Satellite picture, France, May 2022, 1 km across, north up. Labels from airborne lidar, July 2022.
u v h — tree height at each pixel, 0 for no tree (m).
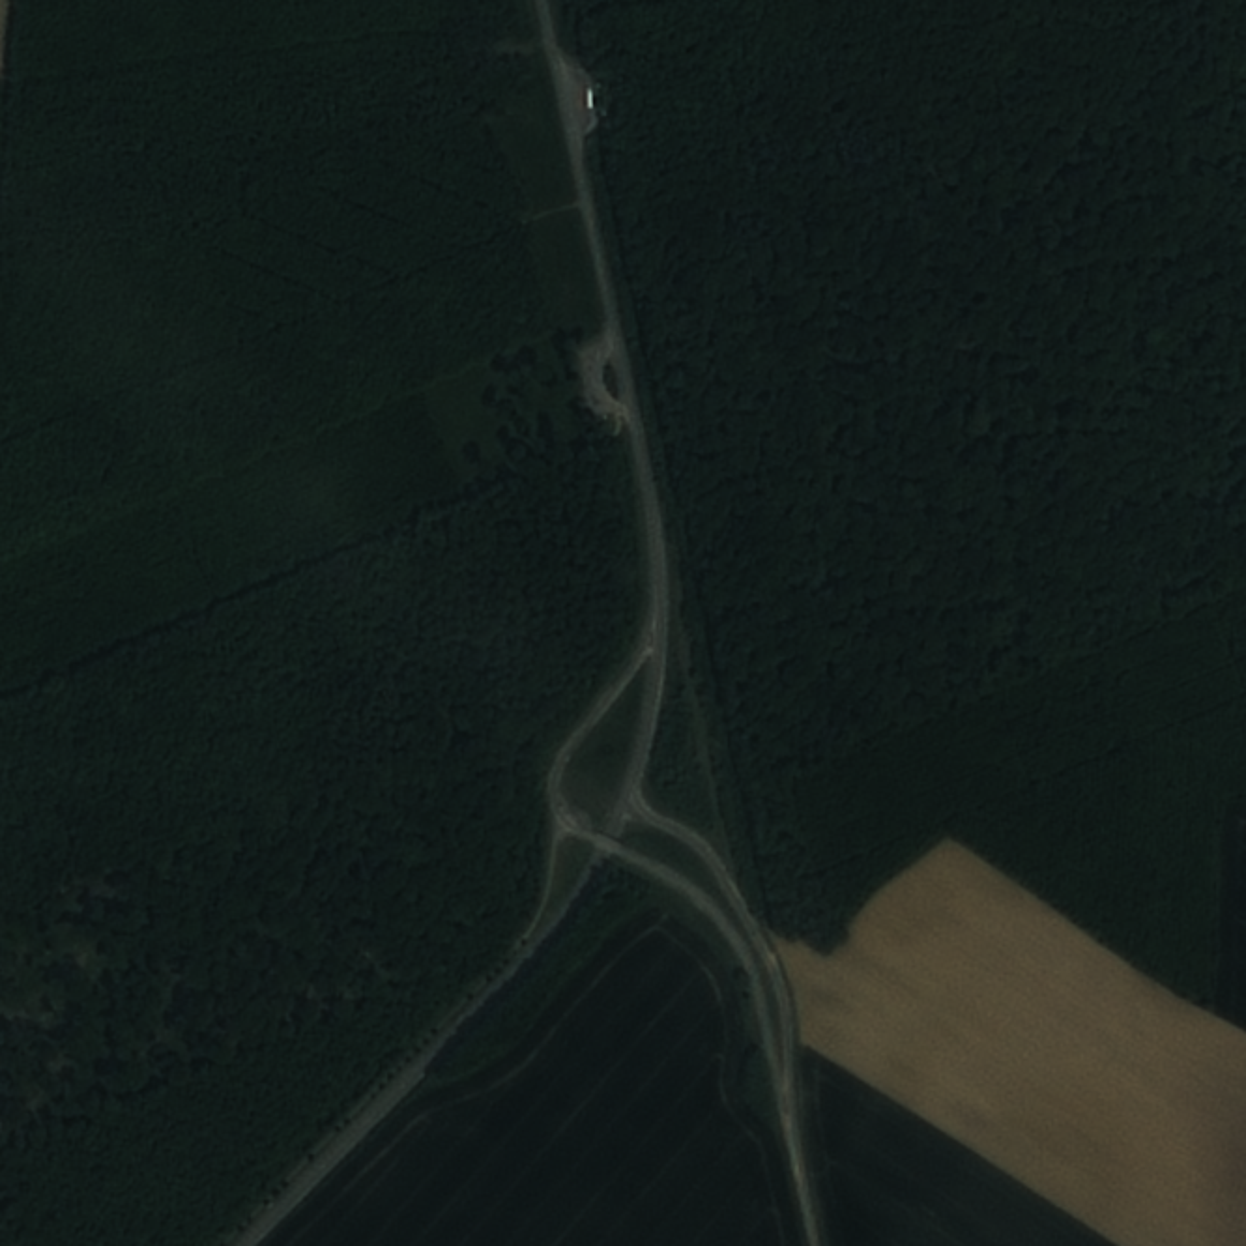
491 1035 19
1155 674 9
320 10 15
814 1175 0
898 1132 0
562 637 25
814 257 24
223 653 19
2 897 25
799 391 30
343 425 9
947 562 30
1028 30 23
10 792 24
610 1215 0
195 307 12
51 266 14
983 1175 0
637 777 0
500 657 26
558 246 0
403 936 20
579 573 27
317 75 13
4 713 21
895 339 25
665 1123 0
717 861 0
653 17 20
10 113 11
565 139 0
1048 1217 0
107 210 17
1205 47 28
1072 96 26
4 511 16
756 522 31
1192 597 23
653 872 0
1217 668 6
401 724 26
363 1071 16
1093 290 28
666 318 26
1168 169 31
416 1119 0
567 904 0
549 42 0
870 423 25
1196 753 7
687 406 25
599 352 0
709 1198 0
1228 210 26
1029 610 20
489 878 23
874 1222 0
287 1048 17
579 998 0
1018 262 23
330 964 26
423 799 27
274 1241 0
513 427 27
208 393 18
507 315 21
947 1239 0
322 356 19
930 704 25
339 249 14
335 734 20
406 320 18
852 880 11
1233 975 0
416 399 10
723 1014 0
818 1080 0
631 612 14
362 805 30
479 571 23
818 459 30
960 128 26
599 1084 0
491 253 20
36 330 14
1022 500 28
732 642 25
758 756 23
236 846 24
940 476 29
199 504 9
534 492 25
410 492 10
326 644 18
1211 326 31
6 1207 30
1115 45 21
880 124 26
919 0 23
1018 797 9
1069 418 30
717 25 21
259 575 8
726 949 0
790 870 24
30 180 13
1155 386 23
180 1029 24
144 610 11
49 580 9
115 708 23
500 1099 0
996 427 26
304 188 14
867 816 8
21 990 24
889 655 30
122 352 12
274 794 25
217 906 28
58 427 17
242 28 13
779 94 22
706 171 23
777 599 27
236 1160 18
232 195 14
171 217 15
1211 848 8
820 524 29
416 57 15
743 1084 14
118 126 16
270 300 12
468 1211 0
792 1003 0
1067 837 11
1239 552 26
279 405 18
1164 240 24
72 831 25
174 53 12
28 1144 15
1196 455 22
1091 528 24
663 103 20
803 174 21
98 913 26
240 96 13
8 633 9
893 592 30
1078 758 7
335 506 9
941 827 10
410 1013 18
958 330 29
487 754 29
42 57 13
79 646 10
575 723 7
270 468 9
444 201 15
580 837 0
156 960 26
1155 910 9
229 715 21
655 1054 0
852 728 29
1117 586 25
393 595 19
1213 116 23
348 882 28
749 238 23
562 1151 0
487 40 17
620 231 19
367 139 18
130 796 23
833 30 22
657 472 6
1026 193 27
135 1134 17
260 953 28
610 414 0
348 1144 0
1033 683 7
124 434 21
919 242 27
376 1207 0
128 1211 18
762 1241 0
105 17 14
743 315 25
